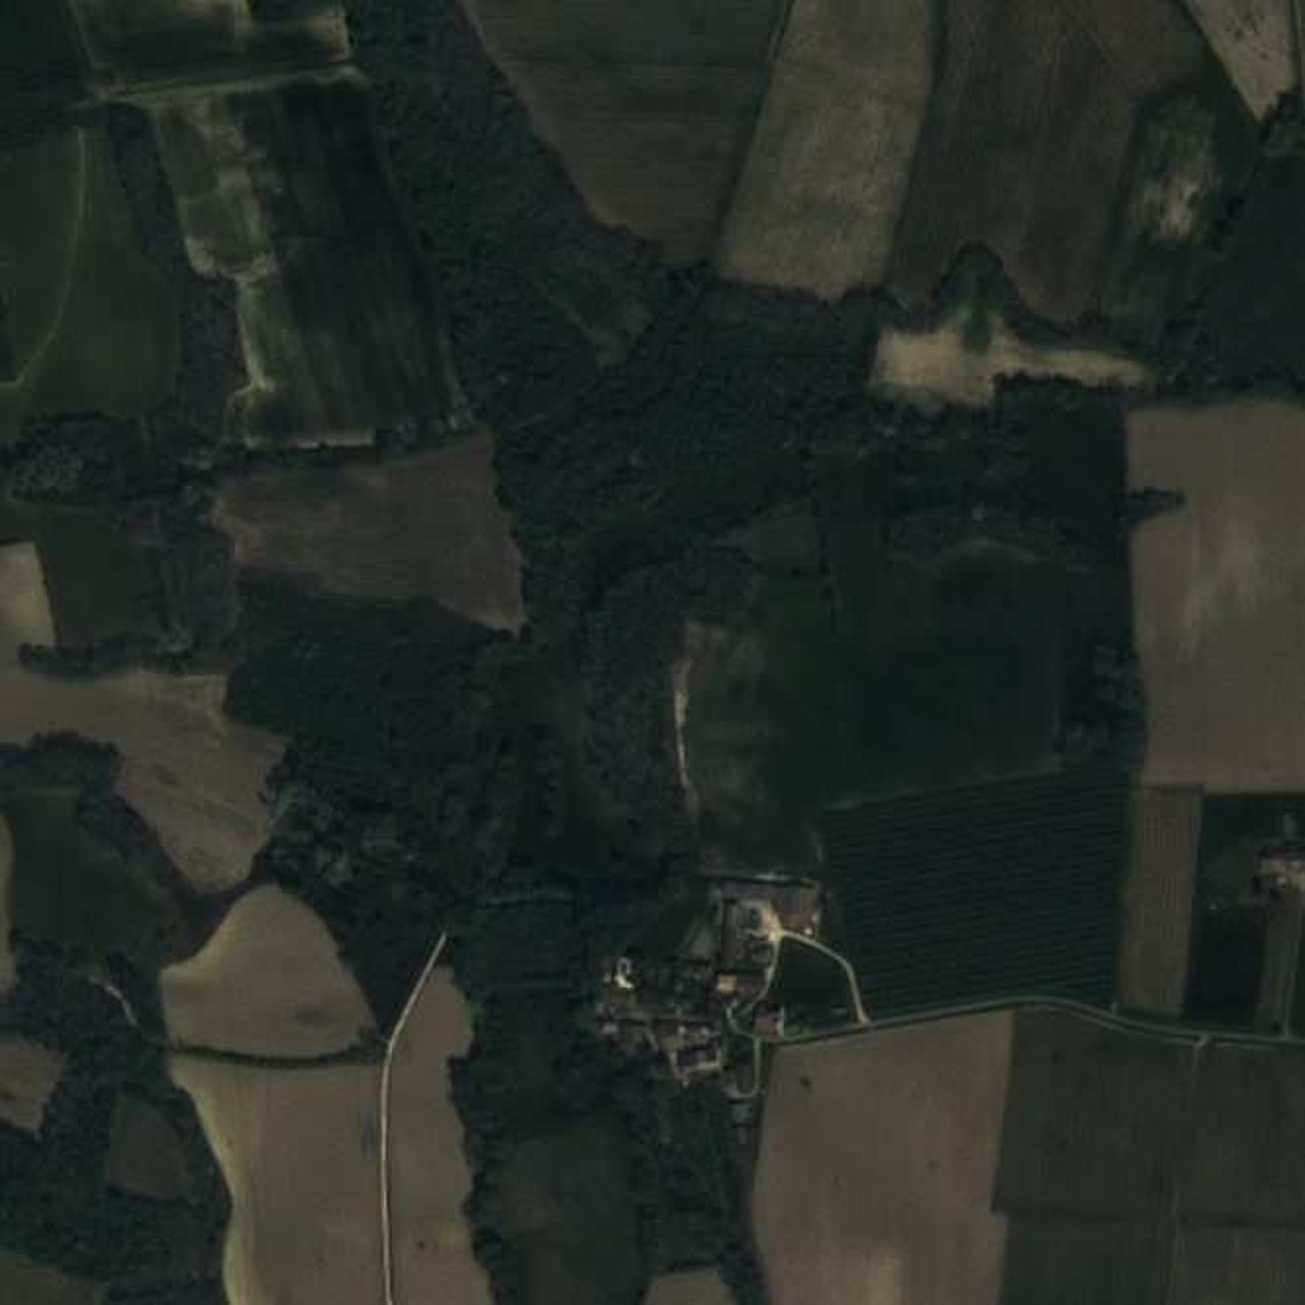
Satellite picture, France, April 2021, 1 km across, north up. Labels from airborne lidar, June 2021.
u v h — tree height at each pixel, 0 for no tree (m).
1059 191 0
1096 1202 0
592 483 21
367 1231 0
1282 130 19
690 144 0
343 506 0
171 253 13
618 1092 18
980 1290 0
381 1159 0
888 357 0
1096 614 0
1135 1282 0
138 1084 19
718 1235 20
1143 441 0
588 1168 0
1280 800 0
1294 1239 0
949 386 0
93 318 0
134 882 0
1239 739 0
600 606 14
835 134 0
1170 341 12
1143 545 0
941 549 18
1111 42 0
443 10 19
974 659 0
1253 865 0
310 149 0
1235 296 0
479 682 15
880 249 0
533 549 19
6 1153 21
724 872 0
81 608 0
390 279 0
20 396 0
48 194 0
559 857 0
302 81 0
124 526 7
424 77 16
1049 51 0
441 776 8
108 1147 20
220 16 0
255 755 0
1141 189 0
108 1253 20
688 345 13
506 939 7
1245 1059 0
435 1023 0
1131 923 0
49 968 20
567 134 0
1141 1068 0
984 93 0
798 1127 0
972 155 0
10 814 0
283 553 0
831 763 0
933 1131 0
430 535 0
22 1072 0
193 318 12
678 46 0
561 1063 9
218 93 0
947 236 0
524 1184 0
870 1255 0
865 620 0
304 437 0
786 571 0
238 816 0
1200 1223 0
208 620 16
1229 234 16
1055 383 11
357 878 7
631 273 17
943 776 0
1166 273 0
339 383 0
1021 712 0
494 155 22
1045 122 0
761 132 0
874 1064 0
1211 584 0
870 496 0
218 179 0
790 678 0
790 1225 0
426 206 17
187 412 16
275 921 0
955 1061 0
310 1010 0
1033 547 18
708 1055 0
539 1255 0
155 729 0
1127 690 16
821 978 0
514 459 14
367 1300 0
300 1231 0
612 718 11
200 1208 10
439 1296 0
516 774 17
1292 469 0
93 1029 21
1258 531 0
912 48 0
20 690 0
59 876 0
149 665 18
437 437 22
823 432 19
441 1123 0
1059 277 0
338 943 14
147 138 16
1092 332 19
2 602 0
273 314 0
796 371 10
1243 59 0
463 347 19
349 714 9
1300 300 0
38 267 0
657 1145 16
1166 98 0
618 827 0
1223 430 0
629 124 0
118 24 0
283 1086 0
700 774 0
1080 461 0
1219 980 0
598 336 0
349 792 6
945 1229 0
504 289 17
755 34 0
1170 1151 0
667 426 23
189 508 15
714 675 0
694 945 0
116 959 0
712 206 0
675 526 0
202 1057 9
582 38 0
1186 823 0
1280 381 18
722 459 18
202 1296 17
